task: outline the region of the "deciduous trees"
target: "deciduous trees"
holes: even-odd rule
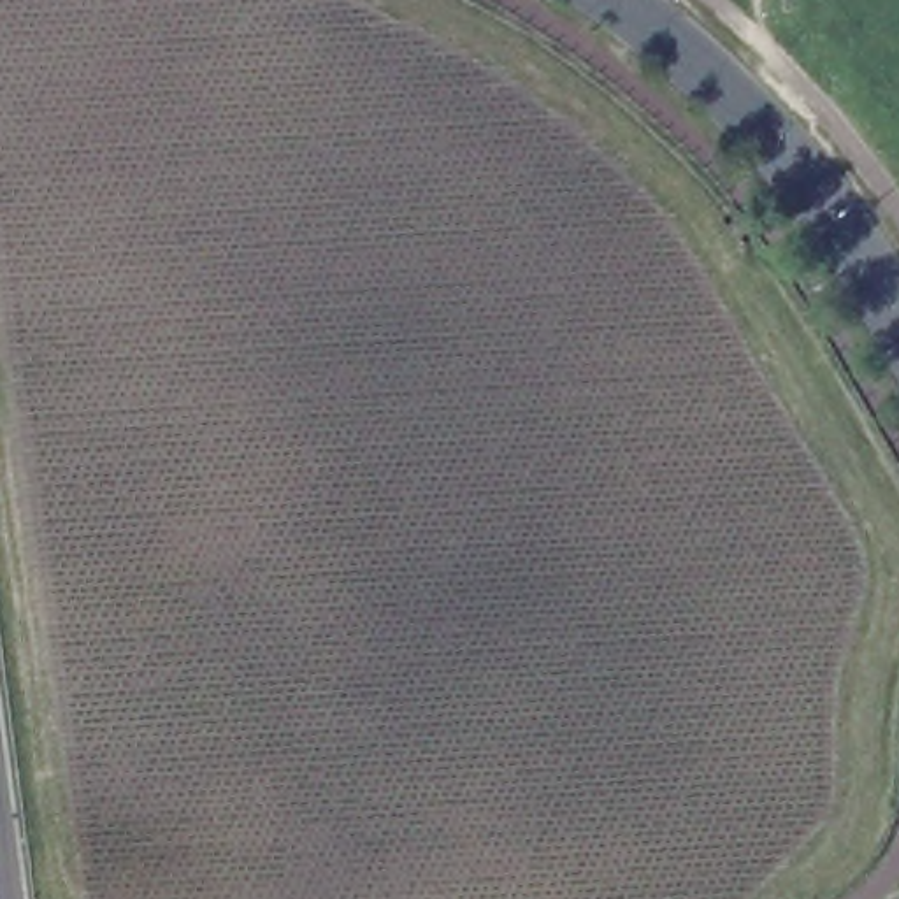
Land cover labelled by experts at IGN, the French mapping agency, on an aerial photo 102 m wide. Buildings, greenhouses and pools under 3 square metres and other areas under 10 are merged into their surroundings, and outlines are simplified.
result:
[[[871,418],[878,435],[899,453],[899,393]]]
[[[843,379],[859,393],[888,379],[894,362],[876,344],[845,369]]]
[[[783,242],[766,249],[744,249],[744,263],[769,270],[773,281],[790,284],[801,256],[790,256]]]
[[[741,211],[737,218],[741,228],[748,235],[762,235],[769,228],[780,228],[787,214],[780,197],[762,183],[759,190],[752,190],[752,211]]]

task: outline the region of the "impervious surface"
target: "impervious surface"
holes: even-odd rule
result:
[[[18,769],[0,664],[0,899],[28,899],[32,874],[25,811],[18,797]]]
[[[639,74],[632,74],[622,70],[622,63],[611,53],[601,53],[569,25],[555,21],[548,11],[527,0],[478,0],[509,11],[541,39],[569,49],[583,67],[597,70],[632,105],[657,119],[702,169],[716,162],[720,147],[709,147],[667,102],[657,98],[660,84],[671,77],[681,95],[709,105],[720,140],[762,144],[762,183],[780,197],[787,214],[801,221],[804,239],[818,249],[832,277],[846,288],[853,313],[860,316],[876,344],[894,362],[899,365],[899,242],[874,228],[874,197],[857,197],[843,179],[850,172],[850,162],[811,151],[811,137],[801,126],[801,119],[787,112],[759,77],[752,77],[671,0],[569,0],[586,18],[604,21],[632,53],[639,53]]]
[[[838,142],[852,158],[855,155],[899,219],[899,169],[888,158],[874,162],[867,144],[850,126],[850,116],[769,35],[766,0],[702,0],[808,100]]]
[[[892,860],[888,867],[874,867],[867,888],[857,899],[899,899],[899,864]]]

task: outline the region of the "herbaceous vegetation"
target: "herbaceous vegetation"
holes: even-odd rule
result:
[[[70,899],[77,857],[70,843],[67,783],[60,773],[60,759],[74,748],[70,695],[81,688],[63,678],[60,650],[49,646],[53,593],[46,590],[46,579],[35,579],[39,551],[32,541],[32,516],[21,502],[28,495],[28,474],[35,471],[35,446],[28,435],[28,414],[14,407],[7,414],[0,365],[0,664],[18,769],[18,797],[25,811],[32,874],[28,899]]]
[[[548,11],[555,21],[569,25],[601,53],[611,53],[622,63],[622,70],[632,74],[639,74],[639,53],[632,53],[604,21],[586,18],[569,0],[527,0]]]
[[[874,228],[899,242],[899,219],[855,155],[852,158],[838,142],[808,100],[702,0],[671,0],[752,77],[759,77],[787,112],[801,119],[801,126],[811,137],[811,151],[850,162],[850,172],[843,179],[857,197],[874,197]]]
[[[752,190],[759,190],[762,183],[762,144],[720,140],[709,105],[681,95],[671,77],[660,84],[657,98],[667,102],[709,147],[720,147],[716,162],[702,169],[657,119],[632,105],[597,70],[583,67],[569,49],[541,39],[509,11],[478,0],[358,0],[369,11],[492,67],[506,81],[523,84],[544,109],[579,123],[583,137],[590,137],[590,144],[597,144],[632,183],[639,183],[653,197],[653,204],[674,221],[678,235],[688,242],[699,267],[720,288],[723,306],[737,316],[748,351],[776,386],[780,404],[797,421],[801,439],[808,453],[818,460],[822,474],[829,478],[843,513],[857,523],[860,551],[867,562],[867,601],[857,615],[857,643],[843,657],[839,671],[836,808],[832,818],[808,839],[808,846],[773,874],[773,888],[762,899],[857,899],[867,888],[874,867],[888,867],[892,860],[899,864],[899,453],[878,435],[871,418],[899,393],[899,365],[894,362],[888,379],[859,393],[843,379],[845,369],[876,344],[860,316],[853,313],[846,288],[832,277],[818,249],[804,239],[801,221],[787,214],[780,228],[769,228],[762,235],[748,235],[741,228],[737,218],[741,211],[752,211]],[[744,249],[766,249],[783,242],[790,256],[801,256],[790,284],[773,281],[769,270],[744,263]]]
[[[766,0],[769,35],[850,116],[850,126],[867,144],[874,162],[888,158],[899,169],[899,0]]]

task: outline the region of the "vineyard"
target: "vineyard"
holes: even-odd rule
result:
[[[53,593],[49,646],[60,650],[63,678],[81,688],[70,695],[74,748],[60,759],[60,773],[67,783],[70,843],[77,857],[70,899],[762,899],[773,888],[773,874],[808,846],[808,839],[832,818],[836,808],[839,671],[843,657],[857,643],[857,615],[867,601],[867,562],[860,551],[857,523],[843,513],[829,478],[822,474],[818,460],[808,453],[801,439],[797,421],[780,404],[776,386],[748,351],[737,316],[723,306],[720,288],[699,267],[688,242],[678,235],[674,221],[653,204],[653,197],[639,183],[632,183],[597,144],[590,144],[590,137],[583,137],[579,123],[544,109],[523,84],[506,81],[492,67],[369,11],[358,0],[0,0],[0,365],[7,414],[14,407],[28,414],[28,435],[35,446],[35,471],[28,474],[28,495],[21,502],[32,516],[32,541],[39,551],[35,579],[46,579],[46,590]]]

